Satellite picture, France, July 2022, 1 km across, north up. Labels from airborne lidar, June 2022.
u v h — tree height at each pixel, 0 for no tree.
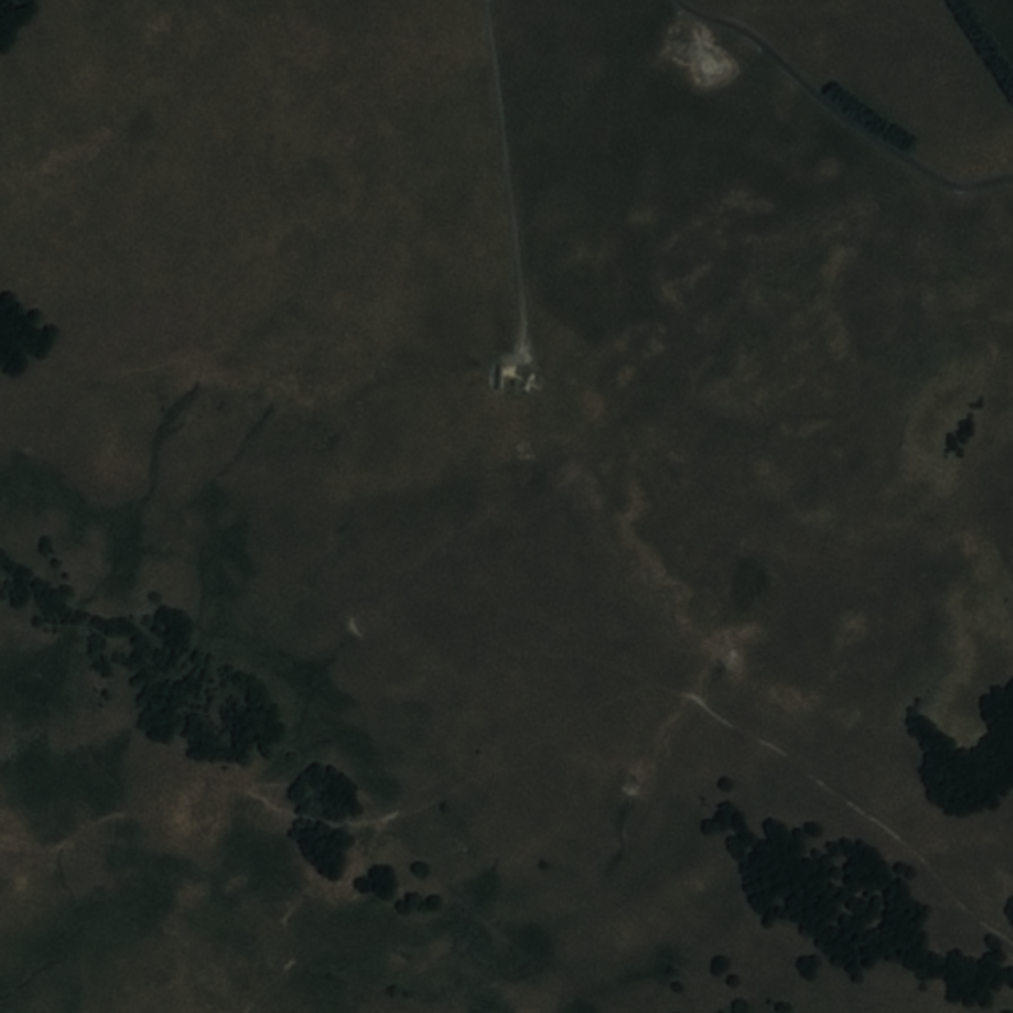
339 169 0
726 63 0
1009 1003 0
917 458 0
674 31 0
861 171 0
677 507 0
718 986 0
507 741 0
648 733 0
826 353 0
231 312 0
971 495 0
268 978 0
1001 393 0
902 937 12
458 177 0
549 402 0
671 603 0
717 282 0
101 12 0
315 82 0
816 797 0
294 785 8
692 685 0
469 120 0
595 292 0
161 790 0
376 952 0
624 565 0
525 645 0
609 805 0
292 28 0
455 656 0
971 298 0
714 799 0
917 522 0
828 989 0
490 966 0
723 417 0
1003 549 0
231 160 0
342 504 0
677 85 0
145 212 0
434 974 0
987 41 17
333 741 0
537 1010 0
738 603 0
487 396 0
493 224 0
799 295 0
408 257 0
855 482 0
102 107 0
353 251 0
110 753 0
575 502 0
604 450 0
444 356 0
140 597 0
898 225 0
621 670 0
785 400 0
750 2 0
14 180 0
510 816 0
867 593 0
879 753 0
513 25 0
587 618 0
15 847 0
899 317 0
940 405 0
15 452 0
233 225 0
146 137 0
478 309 0
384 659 0
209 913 0
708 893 0
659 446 0
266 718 11
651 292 0
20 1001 0
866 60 0
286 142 0
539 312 0
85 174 0
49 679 0
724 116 0
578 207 0
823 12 0
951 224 0
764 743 0
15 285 0
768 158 0
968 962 8
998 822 0
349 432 0
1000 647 0
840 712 0
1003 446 0
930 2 0
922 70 0
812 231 0
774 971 0
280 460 0
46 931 0
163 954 0
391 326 0
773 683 0
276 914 0
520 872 0
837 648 0
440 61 0
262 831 0
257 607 0
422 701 0
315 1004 0
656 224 0
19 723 0
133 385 0
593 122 0
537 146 0
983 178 0
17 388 0
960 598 0
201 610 0
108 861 0
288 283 0
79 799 0
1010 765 14
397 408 0
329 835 10
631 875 0
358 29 0
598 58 0
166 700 9
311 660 0
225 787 0
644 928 0
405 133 0
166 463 0
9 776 0
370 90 0
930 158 0
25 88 0
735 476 0
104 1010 0
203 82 0
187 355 0
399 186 0
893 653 0
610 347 0
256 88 0
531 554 0
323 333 0
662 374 0
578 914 0
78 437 0
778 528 0
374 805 0
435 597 0
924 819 0
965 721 0
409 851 0
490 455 0
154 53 0
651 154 0
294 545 0
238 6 0
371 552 0
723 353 0
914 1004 0
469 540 0
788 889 14
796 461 0
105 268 0
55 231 0
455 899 0
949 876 0
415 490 0
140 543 0
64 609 9
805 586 0
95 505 0
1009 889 0
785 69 0
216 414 0
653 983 0
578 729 0
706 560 0
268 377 0
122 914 0
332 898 0
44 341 14
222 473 0
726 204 0
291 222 0
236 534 0
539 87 0
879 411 0
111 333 0
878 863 13
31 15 9
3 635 0
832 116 0
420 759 0
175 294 0
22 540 0
